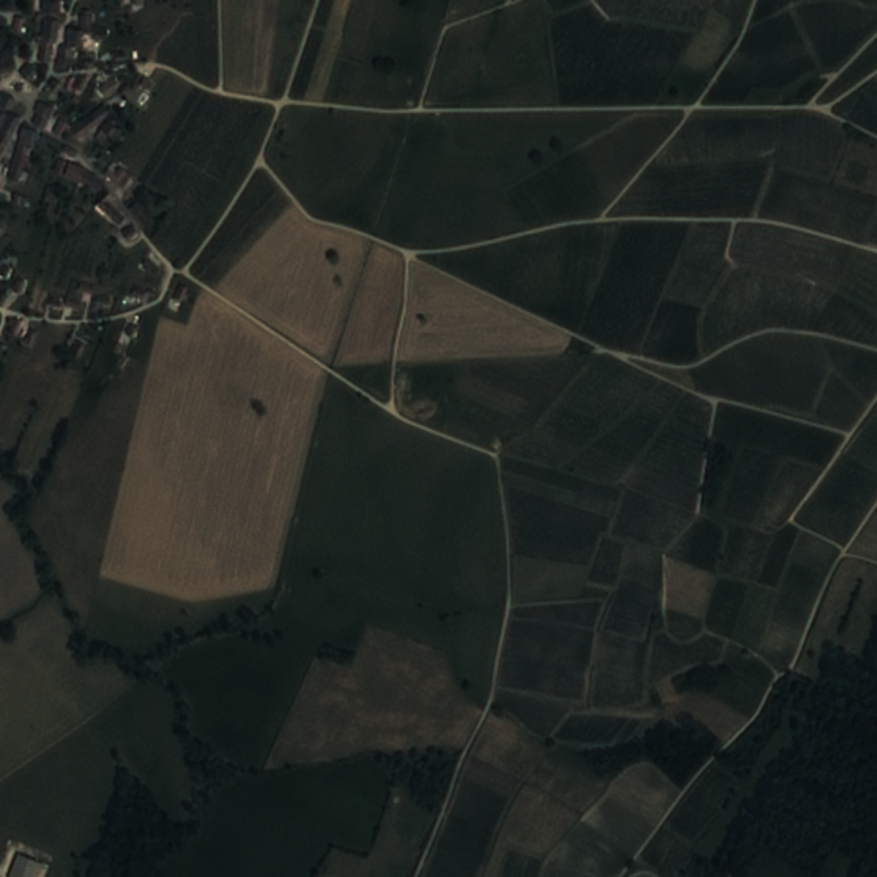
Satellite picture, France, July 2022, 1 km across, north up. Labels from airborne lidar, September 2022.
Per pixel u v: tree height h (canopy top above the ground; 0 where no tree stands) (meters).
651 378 0
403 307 0
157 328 0
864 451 0
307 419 0
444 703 0
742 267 0
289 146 0
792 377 0
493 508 0
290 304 0
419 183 0
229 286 0
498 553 0
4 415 0
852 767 24
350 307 0
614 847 0
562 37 0
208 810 16
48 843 0
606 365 0
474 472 0
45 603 0
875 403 0
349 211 0
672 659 0
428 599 0
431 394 0
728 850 11
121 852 24
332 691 0
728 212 0
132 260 0
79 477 0
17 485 16
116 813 23
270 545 0
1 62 0
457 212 0
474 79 0
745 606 0
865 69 0
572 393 0
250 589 0
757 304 0
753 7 0
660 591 0
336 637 0
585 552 0
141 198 12
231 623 22
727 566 0
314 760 0
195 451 0
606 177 0
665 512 0
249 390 0
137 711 0
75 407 0
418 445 0
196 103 0
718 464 12
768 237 0
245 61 0
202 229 0
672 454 0
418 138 0
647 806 0
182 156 0
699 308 0
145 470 0
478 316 0
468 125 0
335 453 0
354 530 0
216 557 0
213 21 0
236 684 0
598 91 0
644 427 0
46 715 0
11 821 0
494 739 0
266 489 0
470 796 0
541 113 0
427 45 0
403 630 0
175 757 0
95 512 0
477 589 0
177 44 0
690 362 0
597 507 0
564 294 0
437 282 0
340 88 0
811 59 0
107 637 0
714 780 0
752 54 0
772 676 0
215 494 0
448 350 0
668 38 0
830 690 14
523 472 0
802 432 0
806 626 0
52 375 0
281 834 0
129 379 0
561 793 0
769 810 27
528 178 0
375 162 0
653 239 0
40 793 0
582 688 0
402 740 0
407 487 0
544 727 0
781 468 0
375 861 0
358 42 0
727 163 0
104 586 0
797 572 0
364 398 8
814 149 0
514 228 0
